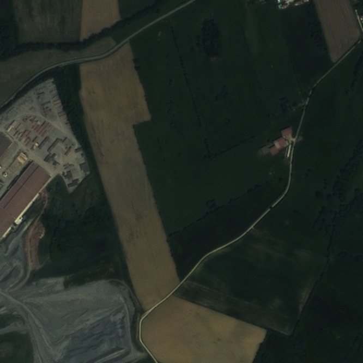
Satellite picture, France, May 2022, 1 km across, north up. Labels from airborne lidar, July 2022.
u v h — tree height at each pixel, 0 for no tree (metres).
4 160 0
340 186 16
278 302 0
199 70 0
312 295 8
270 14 0
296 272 0
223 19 0
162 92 0
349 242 0
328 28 0
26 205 0
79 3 0
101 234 0
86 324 0
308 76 0
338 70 0
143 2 0
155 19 0
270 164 0
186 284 0
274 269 0
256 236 0
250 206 0
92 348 0
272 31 0
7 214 0
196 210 0
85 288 0
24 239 0
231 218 0
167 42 0
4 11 0
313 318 0
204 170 0
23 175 0
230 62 0
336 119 0
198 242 0
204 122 0
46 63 0
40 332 0
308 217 0
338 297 0
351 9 0
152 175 0
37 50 12
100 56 0
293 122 0
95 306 0
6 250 0
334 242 11
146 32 0
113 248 0
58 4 0
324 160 0
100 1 0
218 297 0
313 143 0
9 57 18
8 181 0
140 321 0
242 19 0
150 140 0
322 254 0
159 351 0
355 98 0
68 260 0
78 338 0
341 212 10
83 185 0
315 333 0
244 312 0
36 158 0
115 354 0
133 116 0
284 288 0
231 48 0
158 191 0
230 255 0
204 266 0
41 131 0
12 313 0
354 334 0
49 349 0
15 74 0
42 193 0
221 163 0
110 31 19
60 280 0
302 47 0
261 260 0
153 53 0
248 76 0
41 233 0
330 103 0
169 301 0
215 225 0
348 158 0
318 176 0
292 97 0
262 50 0
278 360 0
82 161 0
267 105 0
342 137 0
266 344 0
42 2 0
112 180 0
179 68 0
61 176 0
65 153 0
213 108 0
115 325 0
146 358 0
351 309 0
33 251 0
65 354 0
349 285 0
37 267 0
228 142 0
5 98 0
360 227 0
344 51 0
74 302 0
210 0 0
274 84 0
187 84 7
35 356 0
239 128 0
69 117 9
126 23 15
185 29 0
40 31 0
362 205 11
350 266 0
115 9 0
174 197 0
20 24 0
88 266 0
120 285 0
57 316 0
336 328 0
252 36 0
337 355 0
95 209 7
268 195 0
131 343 0
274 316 0
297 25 0
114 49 0
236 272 0
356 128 0
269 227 0
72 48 18
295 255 0
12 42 18
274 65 0
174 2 0
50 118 0
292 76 0
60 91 15
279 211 0
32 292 0
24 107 0
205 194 0
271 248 0
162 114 0
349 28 0
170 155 0
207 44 22
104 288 0
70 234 0
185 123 0
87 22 0
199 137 0
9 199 0
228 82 0
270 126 0
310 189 0
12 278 0
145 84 0
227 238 0
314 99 0
